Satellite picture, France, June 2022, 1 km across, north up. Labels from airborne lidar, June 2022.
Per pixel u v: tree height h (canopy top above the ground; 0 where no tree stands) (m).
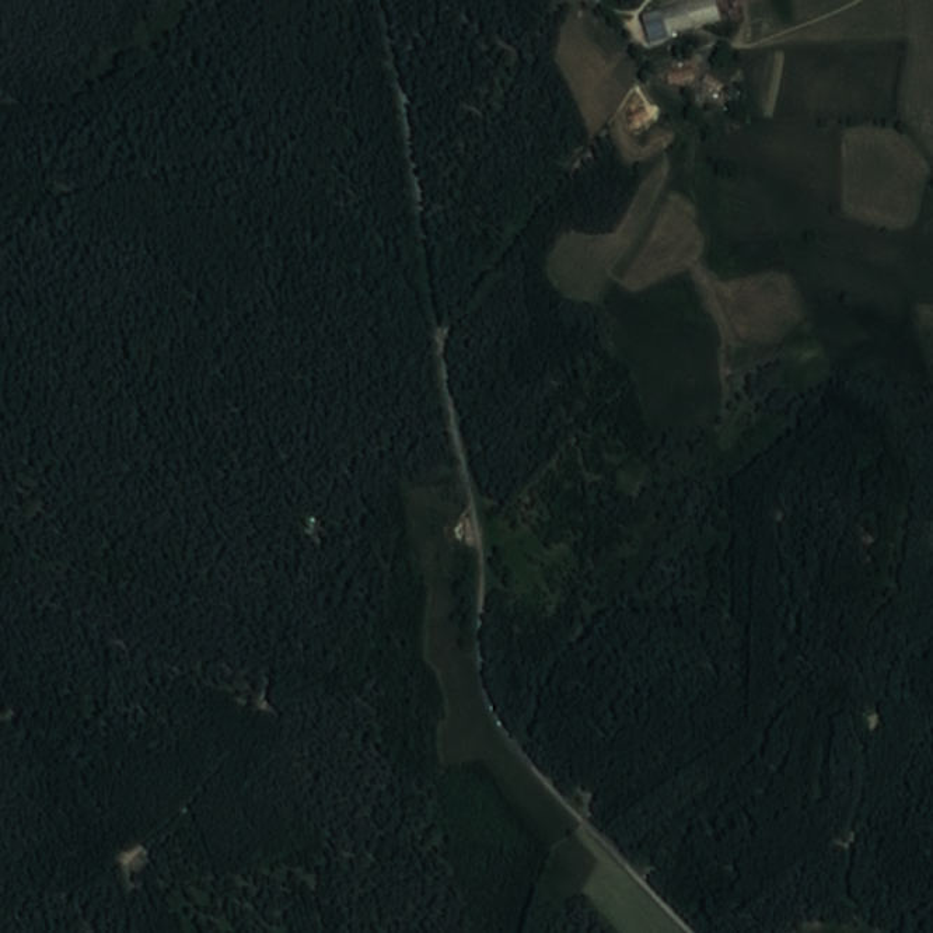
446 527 0
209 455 16
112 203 30
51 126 23
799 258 0
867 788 19
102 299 20
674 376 0
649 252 0
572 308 30
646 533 0
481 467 19
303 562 20
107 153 25
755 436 10
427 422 22
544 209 19
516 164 13
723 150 0
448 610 0
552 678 16
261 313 29
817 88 0
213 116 26
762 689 24
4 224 16
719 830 29
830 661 20
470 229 19
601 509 13
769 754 27
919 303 0
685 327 0
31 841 17
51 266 22
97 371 21
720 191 0
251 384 23
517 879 8
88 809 23
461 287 26
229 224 25
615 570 0
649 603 10
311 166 27
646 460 12
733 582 14
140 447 21
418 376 22
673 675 21
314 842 20
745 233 0
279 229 20
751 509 18
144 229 22
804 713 27
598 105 0
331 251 22
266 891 15
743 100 6
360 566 9
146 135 26
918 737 24
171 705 17
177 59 20
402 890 22
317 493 23
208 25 15
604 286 0
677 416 0
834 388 19
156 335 28
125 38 22
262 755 18
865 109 0
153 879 13
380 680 14
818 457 23
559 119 14
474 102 23
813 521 13
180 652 22
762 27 0
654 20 0
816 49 0
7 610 21
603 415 14
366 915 21
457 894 19
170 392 18
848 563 23
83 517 19
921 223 0
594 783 20
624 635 35
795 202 0
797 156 0
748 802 28
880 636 21
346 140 24
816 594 14
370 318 22
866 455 18
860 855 22
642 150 0
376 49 29
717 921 24
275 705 22
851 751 28
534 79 19
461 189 14
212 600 22
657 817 23
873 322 0
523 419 18
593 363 19
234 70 26
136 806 19
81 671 26
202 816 18
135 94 17
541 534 15
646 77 17
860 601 23
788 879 26
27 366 14
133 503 19
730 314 0
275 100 21
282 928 20
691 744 14
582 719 22
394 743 13
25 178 14
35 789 22
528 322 22
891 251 0
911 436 18
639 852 14
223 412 16
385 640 10
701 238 0
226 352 25
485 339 21
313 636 21
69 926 26
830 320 0
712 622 26
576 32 0
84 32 20
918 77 0
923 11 0
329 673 20
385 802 22
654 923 0
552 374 23
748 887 24
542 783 0
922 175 0
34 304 23
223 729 18
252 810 21
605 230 11
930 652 21
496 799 7
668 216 0
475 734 0
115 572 18
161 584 21
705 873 24
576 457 10
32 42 21
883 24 0
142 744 16
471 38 28
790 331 0
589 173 15
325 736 23
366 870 22
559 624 14
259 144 30
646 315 0
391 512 15
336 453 22
